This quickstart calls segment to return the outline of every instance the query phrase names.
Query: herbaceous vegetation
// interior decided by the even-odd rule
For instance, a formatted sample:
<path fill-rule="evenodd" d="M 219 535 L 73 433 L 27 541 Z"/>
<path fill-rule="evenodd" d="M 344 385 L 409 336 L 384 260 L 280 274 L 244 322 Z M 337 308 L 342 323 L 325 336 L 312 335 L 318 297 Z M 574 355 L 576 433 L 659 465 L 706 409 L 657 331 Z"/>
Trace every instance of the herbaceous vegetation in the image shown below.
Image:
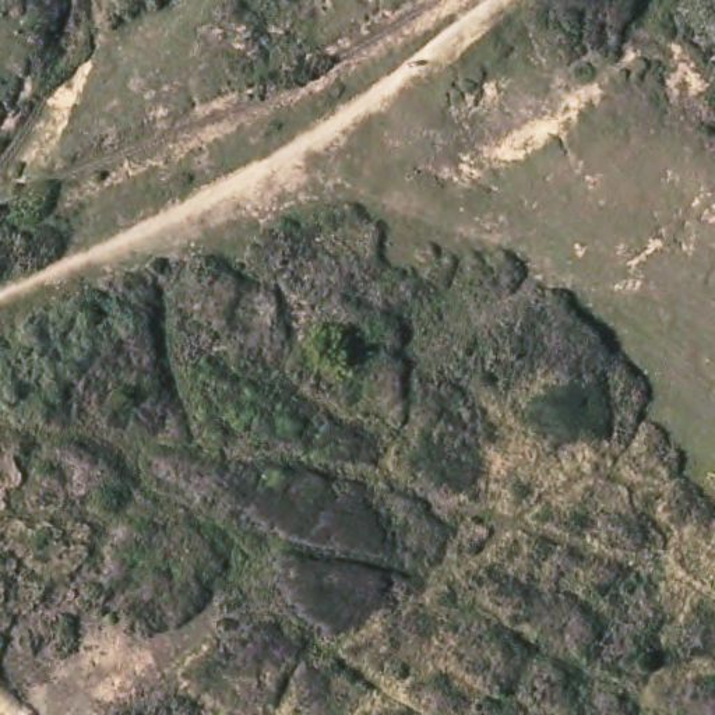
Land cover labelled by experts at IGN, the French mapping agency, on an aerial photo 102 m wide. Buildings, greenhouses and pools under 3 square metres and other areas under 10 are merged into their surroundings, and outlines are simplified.
<path fill-rule="evenodd" d="M 145 218 L 154 218 L 165 207 L 190 198 L 198 187 L 215 184 L 218 179 L 251 162 L 271 156 L 290 140 L 296 140 L 302 131 L 313 128 L 318 120 L 335 115 L 338 106 L 371 89 L 380 78 L 391 75 L 408 56 L 422 50 L 444 28 L 455 22 L 452 14 L 447 14 L 422 34 L 411 36 L 405 45 L 391 47 L 383 56 L 366 61 L 346 81 L 335 81 L 324 92 L 316 92 L 293 106 L 279 109 L 268 120 L 240 126 L 221 140 L 198 145 L 184 154 L 182 162 L 173 156 L 170 142 L 179 142 L 182 134 L 201 131 L 223 120 L 229 123 L 235 120 L 235 115 L 249 112 L 260 101 L 257 87 L 246 87 L 246 75 L 235 73 L 226 56 L 221 53 L 232 50 L 235 28 L 240 25 L 235 20 L 235 0 L 173 0 L 170 8 L 159 11 L 156 17 L 142 14 L 134 28 L 112 31 L 109 22 L 95 28 L 95 53 L 89 61 L 92 73 L 87 78 L 81 98 L 70 109 L 70 120 L 61 131 L 59 148 L 47 156 L 45 168 L 25 162 L 22 184 L 59 179 L 59 204 L 64 209 L 73 209 L 78 201 L 87 204 L 87 212 L 73 235 L 67 254 L 92 249 Z M 209 115 L 193 112 L 198 103 L 209 103 L 229 92 L 237 95 L 232 106 Z"/>
<path fill-rule="evenodd" d="M 693 56 L 695 73 L 704 78 L 709 89 L 690 92 L 687 81 L 681 81 L 679 95 L 668 95 L 668 75 L 673 73 L 673 42 L 679 42 Z M 545 98 L 550 95 L 553 75 L 561 70 L 581 87 L 600 87 L 600 101 L 587 103 L 578 112 L 578 120 L 564 123 L 533 154 L 522 159 L 506 159 L 500 168 L 492 168 L 469 187 L 441 179 L 444 165 L 461 165 L 464 154 L 486 145 L 486 117 L 469 115 L 455 120 L 450 115 L 452 106 L 464 103 L 466 95 L 472 95 L 475 103 L 480 103 L 486 81 L 503 75 L 514 75 L 525 95 Z M 427 75 L 413 75 L 405 87 L 397 89 L 397 95 L 388 101 L 383 112 L 366 115 L 352 128 L 341 131 L 332 142 L 327 142 L 321 151 L 310 151 L 304 156 L 304 184 L 307 201 L 268 223 L 263 240 L 251 249 L 251 260 L 232 263 L 229 257 L 215 251 L 204 254 L 204 260 L 196 257 L 193 263 L 176 260 L 156 257 L 151 271 L 123 274 L 126 288 L 117 296 L 117 302 L 109 302 L 109 293 L 95 288 L 78 271 L 0 304 L 0 458 L 11 458 L 20 469 L 20 483 L 14 489 L 6 489 L 6 511 L 0 514 L 0 715 L 28 715 L 25 709 L 20 709 L 20 704 L 28 698 L 31 687 L 45 684 L 61 659 L 75 656 L 81 651 L 81 637 L 103 631 L 109 623 L 120 634 L 126 634 L 128 648 L 145 648 L 154 656 L 154 665 L 145 668 L 145 673 L 134 681 L 134 695 L 128 701 L 117 701 L 115 715 L 715 715 L 715 589 L 693 606 L 681 640 L 665 648 L 665 668 L 651 670 L 645 654 L 648 640 L 659 640 L 662 628 L 668 626 L 668 614 L 662 609 L 656 589 L 665 578 L 662 559 L 670 533 L 656 519 L 656 503 L 668 503 L 668 508 L 673 506 L 676 480 L 670 478 L 670 469 L 676 466 L 676 452 L 687 452 L 687 472 L 695 483 L 701 483 L 707 492 L 715 489 L 715 232 L 707 240 L 695 243 L 693 254 L 681 251 L 681 240 L 684 223 L 693 212 L 693 196 L 704 196 L 709 201 L 715 196 L 715 0 L 514 0 L 506 8 L 500 8 L 492 17 L 492 28 L 478 42 L 472 42 L 458 59 L 447 61 L 447 67 Z M 182 397 L 182 405 L 173 413 L 168 405 L 156 399 L 156 380 L 151 366 L 145 299 L 151 296 L 154 282 L 159 282 L 165 290 L 165 344 L 170 371 Z M 265 293 L 274 302 L 271 324 L 254 321 L 254 293 Z M 397 332 L 383 321 L 383 307 L 397 307 L 402 316 L 411 318 L 413 374 L 411 394 L 402 397 L 399 366 L 391 360 Z M 341 341 L 346 324 L 358 327 L 363 338 L 374 346 L 374 355 L 360 366 L 360 371 L 352 371 L 346 366 L 346 346 Z M 500 402 L 522 377 L 536 374 L 536 369 L 564 371 L 567 385 L 598 388 L 603 399 L 606 438 L 589 441 L 595 452 L 595 478 L 592 486 L 584 489 L 573 511 L 553 508 L 539 483 L 531 486 L 519 480 L 511 486 L 511 514 L 497 514 L 497 500 L 489 492 L 489 464 L 483 455 L 497 441 L 497 425 L 475 397 L 489 385 Z M 53 461 L 53 452 L 59 447 L 70 447 L 78 458 L 95 466 L 106 466 L 101 472 L 103 486 L 89 489 L 87 494 L 73 494 L 67 469 Z M 215 595 L 207 612 L 198 614 L 187 628 L 182 628 L 179 617 L 184 609 L 193 606 L 196 589 L 204 581 L 215 589 Z"/>
<path fill-rule="evenodd" d="M 363 22 L 366 28 L 374 25 L 374 14 L 399 8 L 408 0 L 302 0 L 304 20 L 307 11 L 318 11 L 316 39 L 327 47 L 355 34 Z"/>

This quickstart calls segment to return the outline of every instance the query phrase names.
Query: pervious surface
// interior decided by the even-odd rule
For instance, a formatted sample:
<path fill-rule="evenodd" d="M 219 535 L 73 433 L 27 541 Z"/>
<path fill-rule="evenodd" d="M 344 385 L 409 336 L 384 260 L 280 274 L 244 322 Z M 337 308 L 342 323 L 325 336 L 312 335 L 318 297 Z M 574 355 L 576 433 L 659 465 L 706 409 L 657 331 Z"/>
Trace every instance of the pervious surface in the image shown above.
<path fill-rule="evenodd" d="M 89 61 L 84 61 L 75 70 L 70 84 L 59 87 L 47 98 L 50 109 L 34 126 L 34 140 L 22 154 L 25 162 L 45 168 L 47 156 L 59 148 L 61 131 L 70 120 L 70 109 L 81 98 L 87 78 L 92 73 Z"/>
<path fill-rule="evenodd" d="M 173 156 L 182 162 L 184 154 L 198 145 L 221 140 L 240 126 L 268 120 L 279 109 L 293 106 L 316 92 L 324 92 L 335 81 L 346 81 L 366 61 L 383 56 L 391 47 L 405 45 L 411 36 L 422 34 L 447 14 L 452 14 L 455 22 L 444 28 L 422 50 L 408 56 L 391 75 L 380 78 L 371 89 L 338 106 L 335 115 L 318 120 L 313 128 L 302 131 L 296 140 L 290 140 L 271 156 L 251 162 L 218 179 L 215 184 L 198 187 L 190 198 L 165 207 L 154 218 L 145 218 L 92 249 L 67 254 L 31 277 L 0 285 L 0 304 L 78 271 L 89 263 L 123 257 L 131 249 L 151 251 L 156 257 L 176 260 L 179 246 L 198 237 L 204 229 L 221 226 L 232 218 L 254 218 L 257 209 L 271 209 L 271 201 L 282 190 L 304 184 L 304 156 L 310 151 L 321 151 L 327 142 L 332 142 L 341 131 L 352 128 L 366 115 L 383 112 L 388 101 L 397 95 L 397 89 L 405 87 L 413 75 L 427 75 L 447 67 L 447 61 L 458 59 L 472 42 L 478 42 L 492 28 L 492 17 L 500 8 L 506 8 L 514 0 L 444 0 L 441 6 L 425 11 L 399 31 L 380 36 L 371 47 L 363 47 L 358 56 L 338 61 L 321 78 L 260 101 L 249 112 L 235 115 L 235 120 L 229 123 L 223 120 L 201 131 L 182 134 L 179 142 L 170 142 Z"/>

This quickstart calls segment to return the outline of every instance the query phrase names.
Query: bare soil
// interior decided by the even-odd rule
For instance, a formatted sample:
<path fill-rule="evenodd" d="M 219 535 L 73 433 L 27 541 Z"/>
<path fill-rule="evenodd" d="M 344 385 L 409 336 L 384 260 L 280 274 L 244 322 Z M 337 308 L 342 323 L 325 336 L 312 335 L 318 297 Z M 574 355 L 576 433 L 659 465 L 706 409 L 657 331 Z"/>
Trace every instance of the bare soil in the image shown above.
<path fill-rule="evenodd" d="M 709 201 L 704 196 L 693 196 L 693 212 L 684 223 L 681 240 L 681 251 L 693 254 L 695 243 L 707 240 L 715 232 L 715 196 Z"/>
<path fill-rule="evenodd" d="M 151 271 L 156 257 L 151 251 L 131 249 L 123 257 L 89 263 L 78 271 L 95 288 L 109 293 L 109 302 L 117 302 L 117 296 L 126 288 L 123 274 Z"/>
<path fill-rule="evenodd" d="M 45 684 L 31 687 L 28 698 L 20 704 L 20 709 L 25 709 L 28 715 L 115 715 L 117 701 L 128 701 L 134 695 L 134 681 L 145 673 L 145 668 L 154 665 L 154 656 L 145 648 L 128 648 L 126 634 L 120 634 L 109 623 L 103 631 L 81 637 L 81 651 L 75 656 L 61 659 Z"/>
<path fill-rule="evenodd" d="M 561 70 L 553 75 L 550 95 L 545 98 L 525 95 L 514 75 L 503 75 L 486 81 L 480 103 L 475 103 L 472 95 L 466 95 L 464 103 L 452 106 L 450 115 L 455 120 L 469 115 L 486 117 L 486 145 L 464 154 L 461 165 L 444 165 L 441 179 L 469 187 L 492 168 L 500 168 L 506 159 L 522 159 L 533 154 L 564 123 L 578 120 L 578 112 L 587 103 L 600 101 L 600 87 L 581 87 Z"/>
<path fill-rule="evenodd" d="M 151 366 L 156 380 L 156 399 L 168 405 L 173 413 L 182 405 L 182 397 L 170 371 L 165 344 L 165 290 L 159 282 L 154 282 L 151 296 L 145 299 Z"/>
<path fill-rule="evenodd" d="M 0 458 L 0 514 L 6 511 L 6 489 L 14 489 L 20 483 L 20 469 L 11 458 Z"/>
<path fill-rule="evenodd" d="M 215 251 L 229 257 L 232 263 L 251 260 L 251 249 L 263 240 L 268 223 L 307 201 L 304 184 L 282 190 L 271 201 L 271 209 L 257 209 L 254 218 L 232 218 L 221 226 L 204 229 L 198 237 L 179 246 L 176 260 L 193 263 L 196 257 L 204 260 L 204 254 Z"/>
<path fill-rule="evenodd" d="M 371 47 L 380 36 L 399 31 L 425 11 L 441 6 L 444 0 L 408 0 L 399 8 L 374 14 L 374 25 L 366 28 L 363 22 L 355 34 L 327 47 L 327 53 L 335 53 L 338 61 L 358 56 L 363 47 Z"/>
<path fill-rule="evenodd" d="M 59 447 L 53 452 L 53 461 L 67 469 L 73 494 L 87 494 L 89 489 L 103 486 L 101 472 L 106 466 L 95 466 L 78 458 L 70 447 Z"/>
<path fill-rule="evenodd" d="M 679 42 L 673 42 L 673 73 L 668 75 L 668 95 L 679 95 L 681 81 L 687 81 L 690 92 L 709 89 L 704 78 L 695 73 L 693 56 Z"/>
<path fill-rule="evenodd" d="M 265 293 L 254 293 L 254 321 L 271 324 L 274 302 Z"/>
<path fill-rule="evenodd" d="M 95 28 L 109 22 L 123 8 L 123 0 L 92 0 Z"/>
<path fill-rule="evenodd" d="M 209 103 L 198 103 L 193 112 L 209 115 L 232 106 L 237 95 L 229 92 Z"/>

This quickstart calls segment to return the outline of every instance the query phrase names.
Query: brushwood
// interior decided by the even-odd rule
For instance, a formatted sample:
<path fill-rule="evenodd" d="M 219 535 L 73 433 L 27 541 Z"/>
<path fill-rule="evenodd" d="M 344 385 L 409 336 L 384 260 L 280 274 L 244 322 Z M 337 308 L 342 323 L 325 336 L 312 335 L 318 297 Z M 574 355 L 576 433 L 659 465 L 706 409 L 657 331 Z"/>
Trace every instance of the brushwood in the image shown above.
<path fill-rule="evenodd" d="M 346 324 L 341 341 L 346 346 L 346 366 L 352 371 L 360 371 L 360 366 L 374 355 L 374 346 L 363 338 L 358 327 Z"/>
<path fill-rule="evenodd" d="M 156 17 L 159 11 L 170 8 L 173 0 L 123 0 L 123 8 L 109 22 L 112 31 L 134 28 L 142 14 Z"/>
<path fill-rule="evenodd" d="M 399 366 L 402 397 L 411 394 L 413 374 L 411 318 L 402 316 L 397 307 L 383 307 L 383 321 L 397 332 L 391 360 Z"/>
<path fill-rule="evenodd" d="M 34 126 L 50 109 L 47 98 L 59 87 L 70 84 L 75 70 L 84 61 L 89 61 L 95 53 L 95 28 L 92 0 L 0 0 L 0 285 L 31 277 L 67 254 L 73 235 L 87 212 L 87 204 L 78 201 L 73 209 L 64 209 L 59 204 L 59 179 L 22 184 L 25 162 L 22 154 L 34 140 Z"/>
<path fill-rule="evenodd" d="M 215 595 L 215 589 L 204 581 L 196 589 L 193 606 L 184 609 L 179 617 L 182 628 L 187 628 L 198 614 L 207 612 Z"/>
<path fill-rule="evenodd" d="M 489 464 L 489 492 L 497 500 L 497 514 L 511 514 L 511 486 L 519 480 L 531 486 L 539 483 L 553 508 L 573 511 L 584 489 L 592 486 L 595 478 L 595 452 L 589 441 L 606 438 L 603 399 L 598 388 L 567 385 L 564 371 L 536 369 L 536 374 L 522 377 L 500 402 L 489 385 L 475 397 L 497 425 L 497 441 L 483 455 Z"/>
<path fill-rule="evenodd" d="M 240 25 L 235 28 L 232 50 L 221 53 L 226 56 L 235 73 L 246 75 L 246 87 L 257 87 L 260 101 L 321 78 L 338 61 L 335 53 L 327 53 L 327 47 L 316 39 L 318 11 L 307 11 L 304 20 L 302 0 L 235 0 L 235 20 Z"/>
<path fill-rule="evenodd" d="M 676 480 L 673 506 L 668 508 L 668 503 L 656 503 L 656 519 L 670 533 L 662 559 L 665 578 L 656 589 L 662 609 L 668 614 L 668 626 L 662 628 L 659 640 L 648 640 L 645 654 L 651 670 L 665 668 L 665 648 L 681 640 L 693 606 L 715 589 L 715 489 L 707 492 L 701 483 L 695 483 L 687 472 L 687 452 L 676 452 L 676 466 L 670 469 L 670 478 Z"/>

